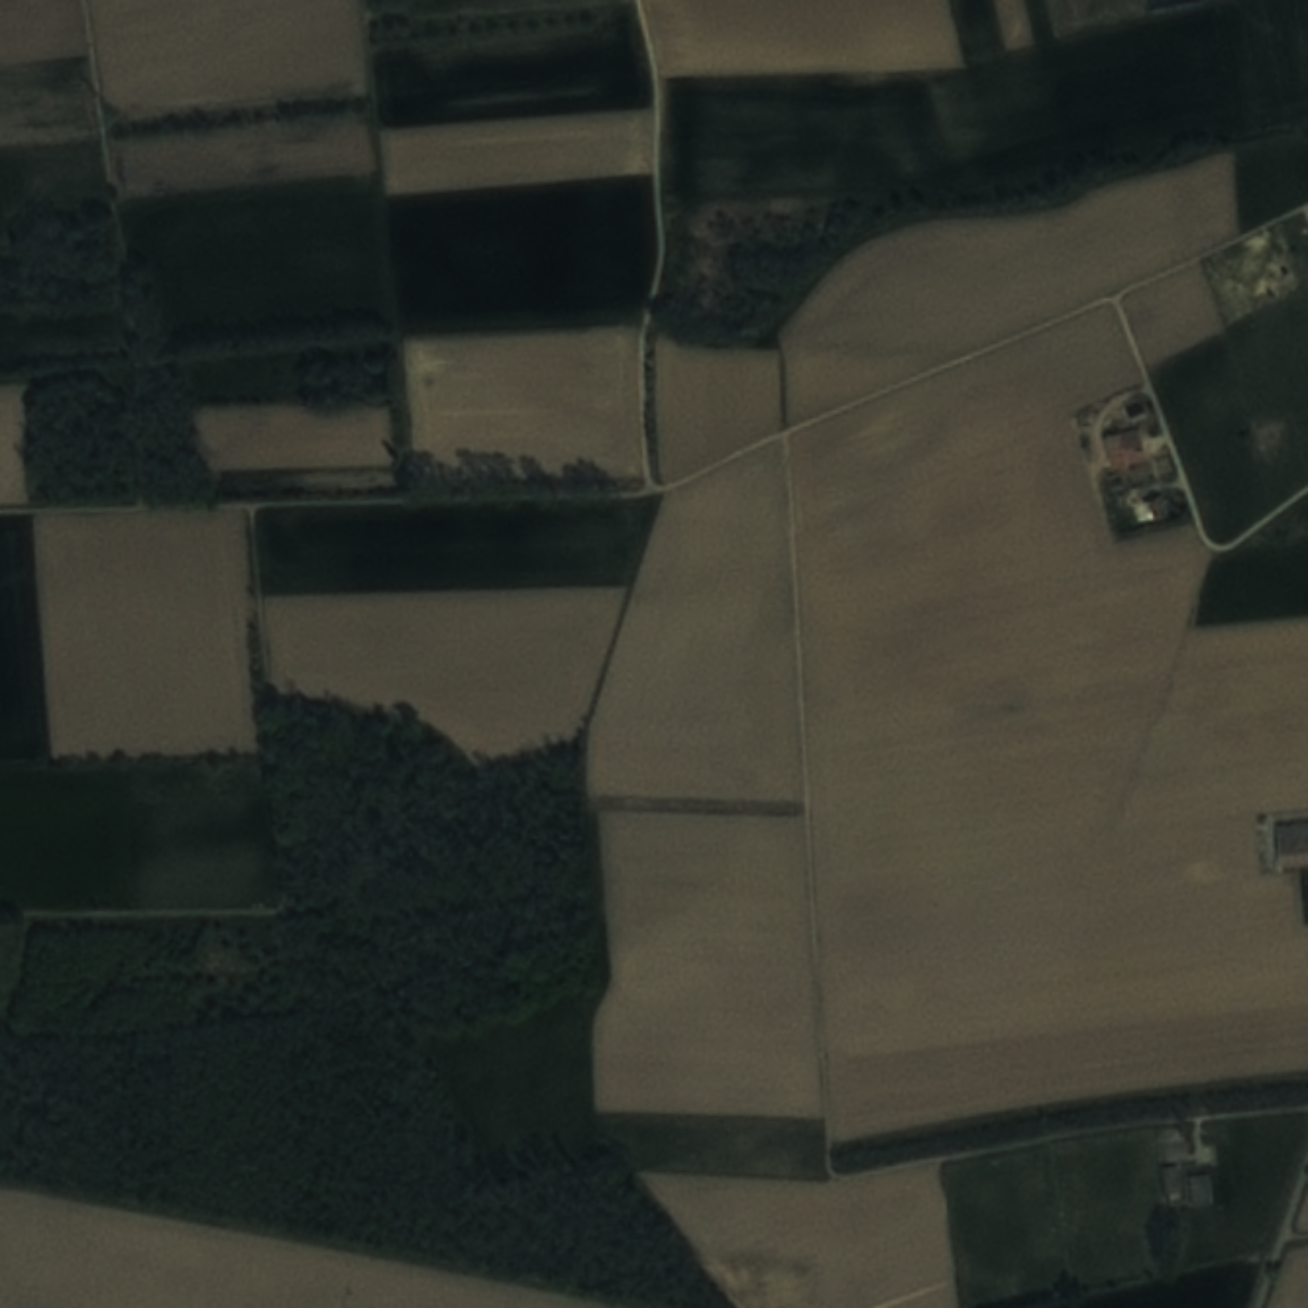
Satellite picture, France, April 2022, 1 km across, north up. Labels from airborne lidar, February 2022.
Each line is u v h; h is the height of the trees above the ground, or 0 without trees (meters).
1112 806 0
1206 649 0
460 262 0
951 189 0
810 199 0
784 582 0
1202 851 0
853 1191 0
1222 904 0
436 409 0
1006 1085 0
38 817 0
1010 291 0
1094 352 0
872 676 0
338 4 0
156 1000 10
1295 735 0
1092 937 0
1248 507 0
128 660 0
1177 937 0
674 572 0
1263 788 0
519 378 0
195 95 0
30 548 0
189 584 0
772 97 0
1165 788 0
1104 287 0
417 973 21
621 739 0
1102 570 0
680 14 0
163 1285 0
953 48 0
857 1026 0
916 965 0
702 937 0
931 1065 0
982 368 0
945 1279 0
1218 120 0
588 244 0
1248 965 0
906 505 0
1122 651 0
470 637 0
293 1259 0
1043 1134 10
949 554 0
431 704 0
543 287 0
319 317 0
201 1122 21
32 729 0
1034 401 0
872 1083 0
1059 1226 0
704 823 0
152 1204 13
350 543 0
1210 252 0
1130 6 0
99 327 0
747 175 0
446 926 28
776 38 0
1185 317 0
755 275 19
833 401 0
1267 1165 0
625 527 0
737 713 0
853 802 0
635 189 0
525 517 0
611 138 0
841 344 0
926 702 0
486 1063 0
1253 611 0
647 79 0
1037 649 0
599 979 16
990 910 0
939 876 0
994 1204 0
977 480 0
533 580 0
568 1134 0
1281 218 0
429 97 0
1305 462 0
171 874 0
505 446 0
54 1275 0
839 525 0
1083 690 0
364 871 37
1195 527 0
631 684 0
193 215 0
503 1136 0
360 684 0
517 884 30
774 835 0
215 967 0
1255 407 0
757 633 0
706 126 0
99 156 0
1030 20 0
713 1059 0
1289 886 0
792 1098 0
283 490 0
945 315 0
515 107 0
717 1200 0
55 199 0
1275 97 0
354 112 10
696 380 0
